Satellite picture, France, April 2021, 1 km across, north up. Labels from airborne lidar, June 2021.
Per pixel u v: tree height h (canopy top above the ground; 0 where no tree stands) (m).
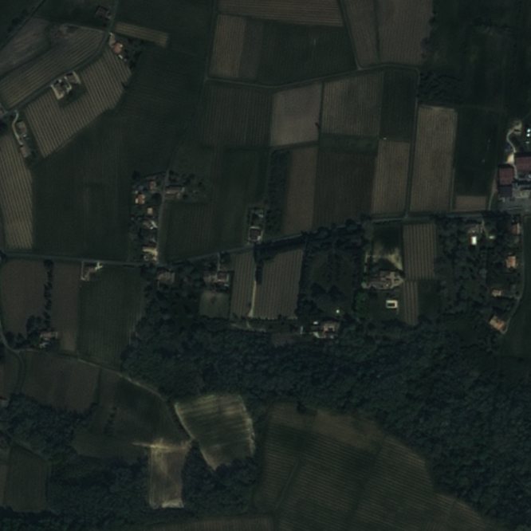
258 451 13
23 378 0
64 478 12
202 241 0
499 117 0
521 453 16
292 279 0
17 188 0
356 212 0
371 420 0
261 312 0
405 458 0
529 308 0
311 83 0
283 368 25
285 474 0
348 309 0
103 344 0
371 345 23
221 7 0
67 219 0
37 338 21
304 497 0
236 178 0
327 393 29
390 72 0
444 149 0
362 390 20
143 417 0
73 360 0
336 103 0
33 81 0
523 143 0
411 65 0
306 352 9
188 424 0
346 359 9
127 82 0
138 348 16
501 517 22
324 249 20
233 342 13
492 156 0
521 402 18
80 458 18
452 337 18
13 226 0
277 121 0
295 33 0
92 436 0
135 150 0
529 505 23
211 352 7
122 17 0
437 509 0
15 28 13
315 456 0
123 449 0
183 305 0
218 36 0
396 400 27
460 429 20
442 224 11
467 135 0
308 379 28
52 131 0
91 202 0
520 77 0
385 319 0
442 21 0
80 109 0
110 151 0
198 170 0
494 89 0
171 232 0
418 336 10
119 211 0
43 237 0
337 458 0
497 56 0
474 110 0
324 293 27
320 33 0
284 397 15
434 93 11
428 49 17
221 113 0
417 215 0
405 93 0
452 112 0
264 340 15
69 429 23
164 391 13
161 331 14
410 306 0
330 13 0
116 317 0
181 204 0
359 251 18
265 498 0
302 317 17
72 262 0
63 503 17
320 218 0
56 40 0
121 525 16
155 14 0
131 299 0
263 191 0
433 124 0
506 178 0
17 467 0
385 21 0
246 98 0
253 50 0
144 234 12
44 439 21
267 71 0
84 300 0
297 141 0
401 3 0
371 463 0
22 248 0
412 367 20
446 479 11
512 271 5
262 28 0
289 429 0
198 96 0
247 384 20
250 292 0
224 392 13
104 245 0
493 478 25
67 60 0
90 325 0
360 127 0
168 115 0
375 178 0
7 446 12
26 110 0
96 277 15
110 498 20
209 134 0
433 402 10
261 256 16
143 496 18
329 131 0
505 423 19
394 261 0
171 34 0
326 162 0
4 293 0
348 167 0
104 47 0
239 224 0
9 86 0
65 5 0
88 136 0
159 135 0
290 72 0
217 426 0
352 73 0
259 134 0
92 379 0
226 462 0
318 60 0
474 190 0
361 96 0
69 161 0
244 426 0
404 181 0
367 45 0
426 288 0
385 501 0
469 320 8
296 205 0
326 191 0
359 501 0
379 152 0
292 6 0
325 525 0
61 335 0
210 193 0
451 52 0
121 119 0
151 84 0
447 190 0
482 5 0
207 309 0
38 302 0
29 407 13
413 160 0
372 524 0
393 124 0
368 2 0
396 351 7
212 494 24
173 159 0
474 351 7
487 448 22
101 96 0
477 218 0
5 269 0
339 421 0
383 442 0
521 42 0
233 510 23
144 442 0
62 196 0
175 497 0
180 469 0
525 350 0
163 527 0
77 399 0
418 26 0
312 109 0
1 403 0
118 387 0
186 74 0
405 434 16
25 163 0
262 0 0
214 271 15
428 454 18
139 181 18
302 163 0
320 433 0
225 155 0
